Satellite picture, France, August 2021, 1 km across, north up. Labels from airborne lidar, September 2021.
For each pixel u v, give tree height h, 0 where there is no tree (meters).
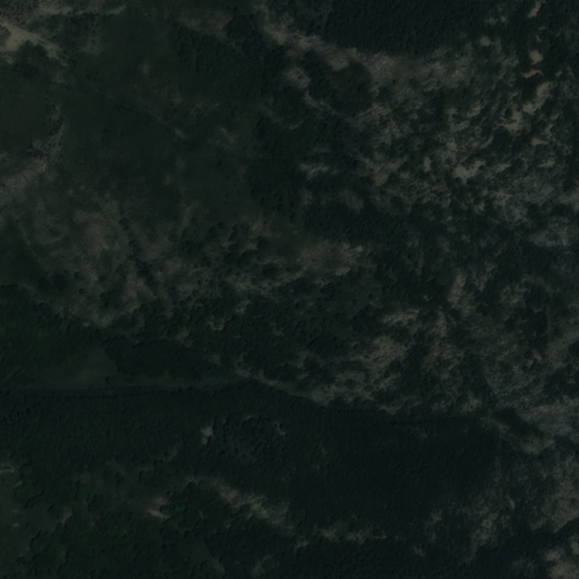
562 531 11
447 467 21
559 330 11
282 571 10
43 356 10
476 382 12
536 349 10
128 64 0
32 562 8
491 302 13
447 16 10
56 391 6
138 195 0
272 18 0
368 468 15
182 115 0
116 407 14
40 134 0
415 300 14
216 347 12
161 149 0
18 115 0
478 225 8
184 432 12
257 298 7
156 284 9
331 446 11
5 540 0
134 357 13
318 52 0
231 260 16
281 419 14
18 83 0
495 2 8
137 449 13
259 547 17
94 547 16
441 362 9
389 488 17
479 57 0
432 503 11
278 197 10
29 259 0
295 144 20
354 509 14
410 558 18
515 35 10
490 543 7
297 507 10
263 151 9
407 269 8
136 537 11
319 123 14
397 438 17
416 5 6
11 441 11
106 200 0
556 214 13
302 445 14
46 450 15
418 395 6
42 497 10
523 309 8
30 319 7
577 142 12
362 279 5
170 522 12
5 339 8
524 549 24
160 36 0
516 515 10
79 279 11
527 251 14
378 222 16
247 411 15
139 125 0
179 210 0
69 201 0
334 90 8
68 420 11
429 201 6
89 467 8
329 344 17
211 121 0
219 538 13
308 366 9
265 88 14
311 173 0
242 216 0
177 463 10
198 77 0
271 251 0
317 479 14
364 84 9
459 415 6
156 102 0
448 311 6
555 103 14
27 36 0
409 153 14
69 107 0
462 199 10
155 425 13
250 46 11
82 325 9
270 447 10
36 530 0
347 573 18
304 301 8
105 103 0
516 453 9
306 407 17
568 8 6
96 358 0
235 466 11
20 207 0
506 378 7
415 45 11
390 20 12
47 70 0
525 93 10
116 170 0
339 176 10
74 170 0
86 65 0
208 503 9
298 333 10
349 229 9
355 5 23
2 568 0
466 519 8
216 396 15
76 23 7
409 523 8
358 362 6
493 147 8
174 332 11
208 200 0
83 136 0
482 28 7
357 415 15
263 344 16
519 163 13
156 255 0
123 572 11
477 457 21
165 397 15
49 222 0
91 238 0
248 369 8
